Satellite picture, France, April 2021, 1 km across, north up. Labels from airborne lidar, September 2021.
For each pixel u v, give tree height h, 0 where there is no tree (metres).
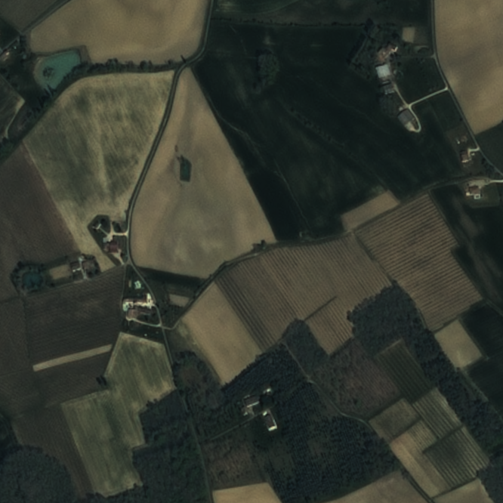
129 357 0
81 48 0
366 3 0
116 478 0
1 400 0
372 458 20
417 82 0
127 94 0
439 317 0
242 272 0
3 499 22
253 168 0
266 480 0
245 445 10
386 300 17
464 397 18
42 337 0
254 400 0
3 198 0
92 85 0
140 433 0
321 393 0
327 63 0
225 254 0
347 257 0
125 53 0
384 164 0
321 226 0
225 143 0
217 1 0
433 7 0
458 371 10
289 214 0
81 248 0
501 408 0
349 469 13
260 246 6
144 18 0
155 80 0
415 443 0
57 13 0
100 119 0
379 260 0
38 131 0
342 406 10
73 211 0
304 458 8
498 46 0
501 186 0
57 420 0
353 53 0
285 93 0
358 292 0
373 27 20
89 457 0
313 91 0
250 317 0
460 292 0
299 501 13
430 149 0
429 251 0
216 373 0
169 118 0
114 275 0
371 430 0
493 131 0
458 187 0
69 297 0
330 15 0
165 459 24
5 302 0
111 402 0
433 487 0
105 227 9
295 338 16
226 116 0
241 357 0
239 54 0
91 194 0
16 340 0
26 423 0
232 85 0
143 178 0
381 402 12
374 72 11
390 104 19
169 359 0
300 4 0
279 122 0
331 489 13
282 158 0
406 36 0
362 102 0
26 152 0
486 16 0
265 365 14
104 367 0
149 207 0
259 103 0
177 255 0
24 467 18
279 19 0
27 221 0
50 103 16
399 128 0
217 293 0
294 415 12
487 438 19
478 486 0
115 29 0
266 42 0
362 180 0
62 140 0
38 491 17
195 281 0
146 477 21
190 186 0
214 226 0
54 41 0
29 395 0
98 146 0
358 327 14
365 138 0
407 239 0
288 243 0
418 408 0
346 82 0
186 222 0
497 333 0
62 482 22
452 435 0
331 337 0
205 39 0
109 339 0
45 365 0
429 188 0
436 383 17
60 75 0
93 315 0
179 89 0
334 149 0
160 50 0
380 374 16
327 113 0
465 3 0
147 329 0
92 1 0
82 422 0
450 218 0
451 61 0
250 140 0
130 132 0
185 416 20
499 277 0
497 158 0
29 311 0
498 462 18
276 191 0
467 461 0
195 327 0
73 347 0
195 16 0
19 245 0
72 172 0
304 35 0
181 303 0
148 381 0
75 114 0
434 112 0
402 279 0
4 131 0
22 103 0
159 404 14
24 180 0
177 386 14
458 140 0
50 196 0
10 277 0
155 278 0
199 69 0
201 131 0
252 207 0
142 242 0
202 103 0
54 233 0
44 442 0
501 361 0
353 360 15
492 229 0
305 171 0
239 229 0
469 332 0
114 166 0
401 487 0
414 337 22
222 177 0
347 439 14
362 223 0
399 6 0
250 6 0
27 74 0
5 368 0
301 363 15
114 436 0
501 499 18
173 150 0
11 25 0
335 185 0
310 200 0
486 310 0
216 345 0
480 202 0
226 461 13
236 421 18
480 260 0
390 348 15
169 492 23
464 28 0
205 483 20
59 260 0
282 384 14
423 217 0
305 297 0
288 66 0
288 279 0
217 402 21
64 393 0
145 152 0
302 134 0
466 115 0
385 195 0
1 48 0
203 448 14
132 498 7
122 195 0
